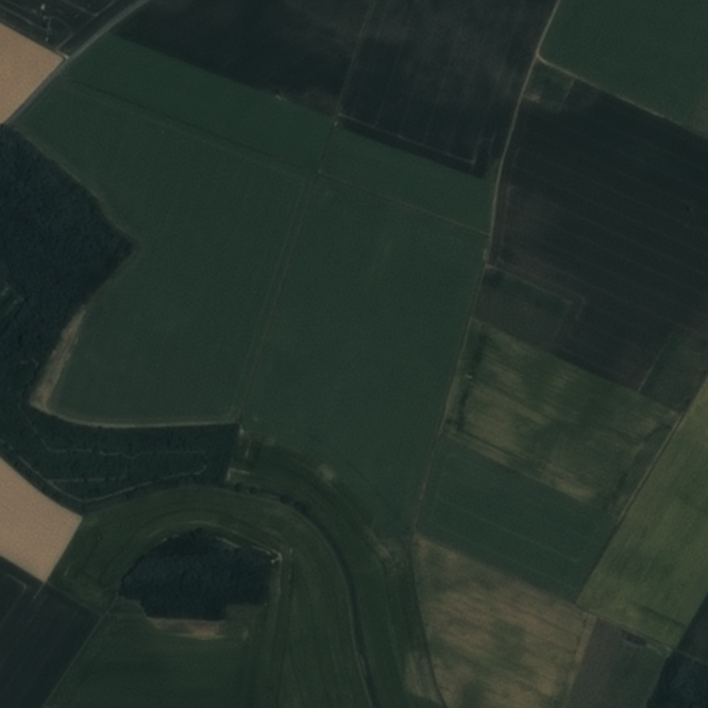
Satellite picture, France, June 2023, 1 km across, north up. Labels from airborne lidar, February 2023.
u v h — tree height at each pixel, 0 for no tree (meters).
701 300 0
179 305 0
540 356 0
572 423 0
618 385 0
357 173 0
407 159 0
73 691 0
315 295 0
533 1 0
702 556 0
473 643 0
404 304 0
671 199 0
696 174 0
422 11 0
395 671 0
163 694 0
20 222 20
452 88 0
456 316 0
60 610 0
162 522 0
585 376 0
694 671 13
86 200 16
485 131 0
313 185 0
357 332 0
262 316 0
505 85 0
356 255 0
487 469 0
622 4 0
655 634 0
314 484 0
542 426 0
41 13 0
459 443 0
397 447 0
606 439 0
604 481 0
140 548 0
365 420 0
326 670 0
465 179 0
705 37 0
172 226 0
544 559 0
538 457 0
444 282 0
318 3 0
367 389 0
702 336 0
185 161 0
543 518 0
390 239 0
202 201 0
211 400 0
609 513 0
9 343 20
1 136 12
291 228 0
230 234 0
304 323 0
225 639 0
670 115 0
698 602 0
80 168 0
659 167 0
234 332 0
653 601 0
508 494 0
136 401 0
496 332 0
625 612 0
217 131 0
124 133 0
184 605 15
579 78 0
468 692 0
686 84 0
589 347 0
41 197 22
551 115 0
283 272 0
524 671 0
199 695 0
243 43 0
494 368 0
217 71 0
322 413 0
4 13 0
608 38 0
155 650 0
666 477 0
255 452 0
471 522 0
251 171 0
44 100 0
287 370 0
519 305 0
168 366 0
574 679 0
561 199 0
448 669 0
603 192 0
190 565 19
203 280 0
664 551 0
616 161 0
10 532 0
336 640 0
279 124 0
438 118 0
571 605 0
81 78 0
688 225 0
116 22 0
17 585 0
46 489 9
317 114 0
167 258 0
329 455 0
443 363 0
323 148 0
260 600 13
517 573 0
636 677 0
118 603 0
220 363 0
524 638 0
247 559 21
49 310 21
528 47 0
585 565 0
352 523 0
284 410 0
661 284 0
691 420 0
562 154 0
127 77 0
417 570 0
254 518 0
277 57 0
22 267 19
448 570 0
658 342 0
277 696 0
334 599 0
